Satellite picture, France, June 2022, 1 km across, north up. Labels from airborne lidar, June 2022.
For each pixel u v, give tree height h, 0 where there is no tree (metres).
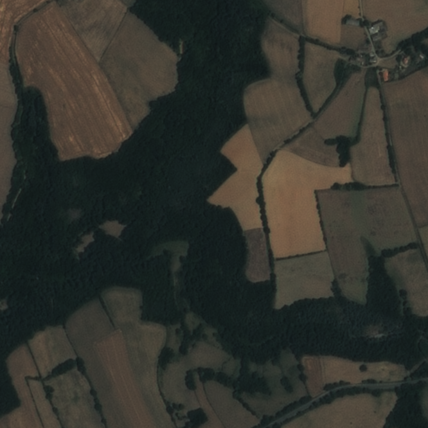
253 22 23
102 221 24
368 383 12
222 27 36
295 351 20
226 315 10
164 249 0
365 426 0
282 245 0
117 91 0
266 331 15
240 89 6
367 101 0
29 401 0
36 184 23
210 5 34
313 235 0
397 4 0
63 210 8
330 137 0
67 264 22
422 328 19
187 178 5
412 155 0
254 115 0
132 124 0
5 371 13
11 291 23
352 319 12
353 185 16
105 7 0
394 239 0
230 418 0
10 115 0
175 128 28
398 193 0
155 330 0
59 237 25
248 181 0
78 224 9
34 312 13
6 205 12
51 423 0
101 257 24
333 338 19
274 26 0
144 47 0
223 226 17
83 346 0
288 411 18
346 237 0
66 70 0
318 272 0
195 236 23
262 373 0
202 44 16
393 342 18
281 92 0
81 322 0
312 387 0
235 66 19
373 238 0
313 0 0
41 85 0
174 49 17
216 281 15
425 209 0
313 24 0
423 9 0
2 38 0
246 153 0
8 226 15
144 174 21
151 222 12
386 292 20
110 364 0
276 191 0
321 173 0
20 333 20
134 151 23
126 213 26
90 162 10
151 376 0
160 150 31
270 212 0
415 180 0
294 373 0
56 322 22
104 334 0
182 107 16
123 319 0
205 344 0
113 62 0
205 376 17
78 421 0
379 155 0
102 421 9
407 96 0
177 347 0
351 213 0
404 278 0
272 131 0
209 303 12
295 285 0
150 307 8
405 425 9
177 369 0
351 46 0
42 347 0
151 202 23
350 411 0
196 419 16
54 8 0
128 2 0
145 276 5
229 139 8
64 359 0
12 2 0
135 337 0
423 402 0
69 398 0
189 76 21
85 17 0
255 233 0
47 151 18
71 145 0
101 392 0
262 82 0
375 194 0
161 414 0
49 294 8
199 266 16
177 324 10
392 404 0
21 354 0
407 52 10
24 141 18
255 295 11
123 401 0
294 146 0
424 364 10
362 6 0
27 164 14
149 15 15
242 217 0
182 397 0
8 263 23
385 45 0
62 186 8
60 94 0
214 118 6
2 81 0
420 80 0
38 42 0
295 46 0
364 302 0
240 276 15
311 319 19
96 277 22
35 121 26
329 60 0
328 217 0
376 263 15
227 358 0
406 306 20
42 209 34
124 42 0
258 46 9
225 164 7
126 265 24
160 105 19
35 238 23
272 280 12
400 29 0
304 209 0
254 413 12
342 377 0
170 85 0
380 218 0
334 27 0
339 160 8
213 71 26
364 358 17
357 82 0
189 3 15
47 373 0
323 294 0
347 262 0
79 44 0
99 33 0
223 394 0
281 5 0
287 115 0
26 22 0
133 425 0
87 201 7
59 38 0
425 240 0
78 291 8
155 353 0
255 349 21
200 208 14
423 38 16
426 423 11
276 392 0
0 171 0
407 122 0
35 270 23
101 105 0
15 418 0
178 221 15
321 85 0
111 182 12
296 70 0
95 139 0
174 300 10
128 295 0
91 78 0
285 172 0
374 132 0
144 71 0
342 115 0
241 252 12
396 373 0
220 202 0
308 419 0
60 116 0
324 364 0
